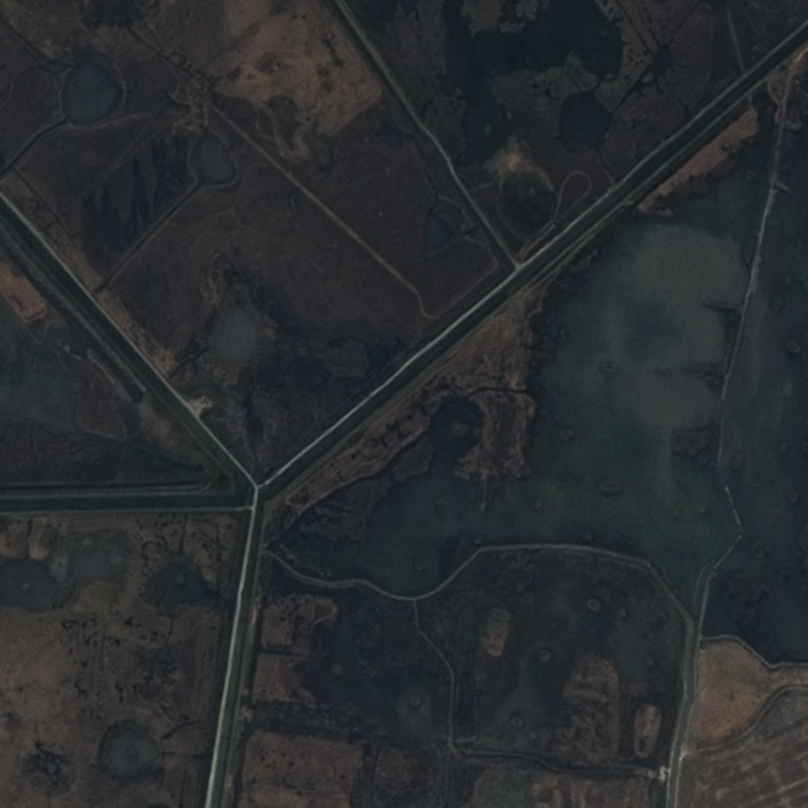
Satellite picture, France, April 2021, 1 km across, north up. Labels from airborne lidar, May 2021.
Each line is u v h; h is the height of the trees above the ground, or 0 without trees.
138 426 0
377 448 0
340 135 0
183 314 0
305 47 0
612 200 0
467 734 0
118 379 0
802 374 0
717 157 0
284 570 0
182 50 0
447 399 0
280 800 0
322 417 0
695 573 0
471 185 0
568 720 0
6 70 0
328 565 0
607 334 0
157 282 0
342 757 0
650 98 0
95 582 0
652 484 0
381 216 0
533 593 0
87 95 0
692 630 0
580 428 0
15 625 0
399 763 0
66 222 0
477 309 0
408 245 0
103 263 0
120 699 0
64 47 0
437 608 0
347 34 0
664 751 0
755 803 0
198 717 0
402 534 0
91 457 0
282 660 0
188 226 0
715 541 0
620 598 0
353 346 0
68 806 0
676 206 0
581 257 0
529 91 0
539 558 0
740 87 0
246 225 0
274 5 0
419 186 0
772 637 0
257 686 0
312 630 0
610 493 0
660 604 0
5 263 0
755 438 0
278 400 0
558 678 0
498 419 0
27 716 0
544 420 0
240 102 0
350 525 0
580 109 0
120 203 0
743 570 0
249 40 0
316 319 0
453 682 0
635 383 0
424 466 0
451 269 0
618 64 0
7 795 0
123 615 0
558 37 0
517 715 0
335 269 0
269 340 0
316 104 0
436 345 0
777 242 0
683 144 0
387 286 0
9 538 0
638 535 0
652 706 0
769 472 0
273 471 7
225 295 0
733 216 0
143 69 0
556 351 0
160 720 0
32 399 0
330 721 0
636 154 0
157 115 0
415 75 0
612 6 0
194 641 0
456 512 0
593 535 0
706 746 0
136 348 0
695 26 0
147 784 0
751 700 0
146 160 0
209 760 0
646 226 0
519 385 0
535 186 0
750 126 0
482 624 0
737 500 0
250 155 0
